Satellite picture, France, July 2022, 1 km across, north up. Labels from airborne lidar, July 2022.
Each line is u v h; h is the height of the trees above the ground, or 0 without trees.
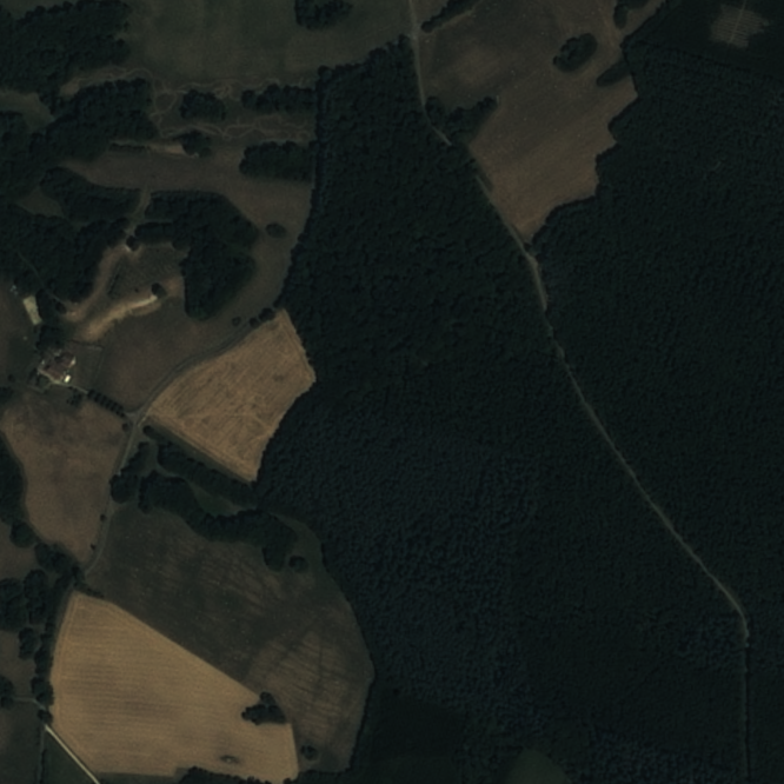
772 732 15
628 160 18
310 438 22
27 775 0
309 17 22
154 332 0
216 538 19
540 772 0
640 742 21
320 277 25
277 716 14
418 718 6
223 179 0
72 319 0
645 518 16
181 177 0
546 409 17
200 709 0
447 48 0
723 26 0
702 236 19
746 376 19
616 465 16
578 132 0
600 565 16
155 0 0
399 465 20
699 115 18
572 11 0
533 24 0
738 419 19
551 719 22
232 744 0
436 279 25
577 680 15
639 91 13
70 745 0
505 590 30
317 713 0
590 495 17
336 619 0
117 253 0
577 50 15
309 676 0
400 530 24
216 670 0
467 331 24
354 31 0
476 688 23
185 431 0
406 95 17
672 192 17
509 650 22
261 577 0
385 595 23
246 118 0
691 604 15
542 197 0
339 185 24
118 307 0
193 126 0
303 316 20
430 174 24
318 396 19
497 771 21
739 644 30
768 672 14
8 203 8
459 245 21
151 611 0
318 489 20
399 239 25
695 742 16
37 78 18
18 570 0
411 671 21
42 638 12
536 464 21
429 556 31
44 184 12
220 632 0
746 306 20
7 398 10
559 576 17
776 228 17
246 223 9
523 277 16
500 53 0
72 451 0
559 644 17
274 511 17
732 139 18
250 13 0
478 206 19
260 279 0
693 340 17
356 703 0
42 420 0
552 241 17
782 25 6
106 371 0
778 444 14
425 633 24
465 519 33
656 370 19
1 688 15
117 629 0
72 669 0
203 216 25
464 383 19
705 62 17
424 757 6
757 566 17
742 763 15
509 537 34
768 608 20
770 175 18
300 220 0
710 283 18
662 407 17
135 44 0
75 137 21
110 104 24
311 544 0
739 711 16
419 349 25
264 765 0
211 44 0
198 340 0
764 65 6
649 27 8
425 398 20
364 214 22
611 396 18
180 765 0
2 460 20
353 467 22
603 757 30
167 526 0
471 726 13
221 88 0
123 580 0
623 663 16
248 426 0
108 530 0
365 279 24
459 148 20
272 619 0
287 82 0
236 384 0
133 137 20
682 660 17
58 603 5
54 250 20
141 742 0
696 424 16
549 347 15
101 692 0
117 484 14
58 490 0
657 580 17
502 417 16
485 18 0
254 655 0
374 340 24
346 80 22
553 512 19
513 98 0
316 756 16
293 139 0
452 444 20
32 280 17
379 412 19
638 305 18
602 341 18
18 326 0
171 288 0
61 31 22
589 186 0
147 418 0
